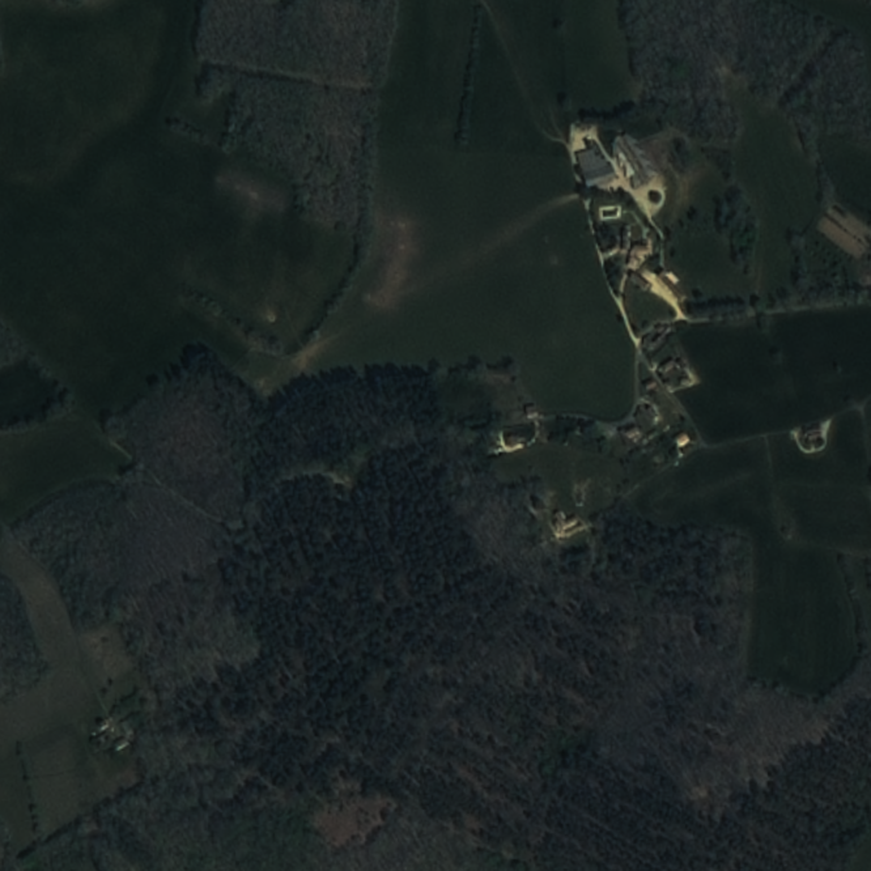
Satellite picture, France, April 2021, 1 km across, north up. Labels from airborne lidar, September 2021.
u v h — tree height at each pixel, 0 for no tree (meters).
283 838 21
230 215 0
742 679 12
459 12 0
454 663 22
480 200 0
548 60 0
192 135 11
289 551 21
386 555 18
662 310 0
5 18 0
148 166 0
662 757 15
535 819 20
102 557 15
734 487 0
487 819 21
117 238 0
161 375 0
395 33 19
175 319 0
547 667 20
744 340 0
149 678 14
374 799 12
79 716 0
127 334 0
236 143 7
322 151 17
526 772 12
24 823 0
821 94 14
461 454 10
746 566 12
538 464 0
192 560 15
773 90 17
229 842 20
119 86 0
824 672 0
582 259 0
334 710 18
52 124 0
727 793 16
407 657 21
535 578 13
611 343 0
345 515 26
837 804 22
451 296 0
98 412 0
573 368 0
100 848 20
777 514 0
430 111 0
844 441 0
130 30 0
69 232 0
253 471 11
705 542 16
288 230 0
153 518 18
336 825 0
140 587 15
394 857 18
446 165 0
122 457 0
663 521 0
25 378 0
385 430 15
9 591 18
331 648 16
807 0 0
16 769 0
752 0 20
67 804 0
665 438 6
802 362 0
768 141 0
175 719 18
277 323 0
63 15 0
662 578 24
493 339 0
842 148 0
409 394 26
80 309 0
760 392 0
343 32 13
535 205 0
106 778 0
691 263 0
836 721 15
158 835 21
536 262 0
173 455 10
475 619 17
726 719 15
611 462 0
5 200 0
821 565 0
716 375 0
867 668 15
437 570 16
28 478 0
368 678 16
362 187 13
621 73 0
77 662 0
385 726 17
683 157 21
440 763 19
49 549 12
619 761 17
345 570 22
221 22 17
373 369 0
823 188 12
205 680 15
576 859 17
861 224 0
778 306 17
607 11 0
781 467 0
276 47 19
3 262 0
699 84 19
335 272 0
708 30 24
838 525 0
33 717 0
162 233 0
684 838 15
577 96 0
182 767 23
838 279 7
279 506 23
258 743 19
